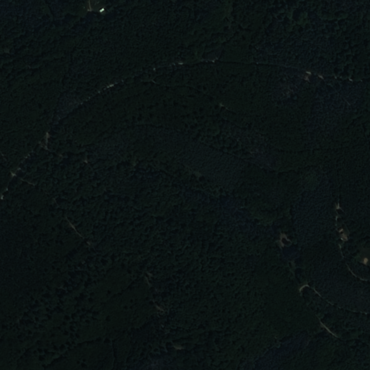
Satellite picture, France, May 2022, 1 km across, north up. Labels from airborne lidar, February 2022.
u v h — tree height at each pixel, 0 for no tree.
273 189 27
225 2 18
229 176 24
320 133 25
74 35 26
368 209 21
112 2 22
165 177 20
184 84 16
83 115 20
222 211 35
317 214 26
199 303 29
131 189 27
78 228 30
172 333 22
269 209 26
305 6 22
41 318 30
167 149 26
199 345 19
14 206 10
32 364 21
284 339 38
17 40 24
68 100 28
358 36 34
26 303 16
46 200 17
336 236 20
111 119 17
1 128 14
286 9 38
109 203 39
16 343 16
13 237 12
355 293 21
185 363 28
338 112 30
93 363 18
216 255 24
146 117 17
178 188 36
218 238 30
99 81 23
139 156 22
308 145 25
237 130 26
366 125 28
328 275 18
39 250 14
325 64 27
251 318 27
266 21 21
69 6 22
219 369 31
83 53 20
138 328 7
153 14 23
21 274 17
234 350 33
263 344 31
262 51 22
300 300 22
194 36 24
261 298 21
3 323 8
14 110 18
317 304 13
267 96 16
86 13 0
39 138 9
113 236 34
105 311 21
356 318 17
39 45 23
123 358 14
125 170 25
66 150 11
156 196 28
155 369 21
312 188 26
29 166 25
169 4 14
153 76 16
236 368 36
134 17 21
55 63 23
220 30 20
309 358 21
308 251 20
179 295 27
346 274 21
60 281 7
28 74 17
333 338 17
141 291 17
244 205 38
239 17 12
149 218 38
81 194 32
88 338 16
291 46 27
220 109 14
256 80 12
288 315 19
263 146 26
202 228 21
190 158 25
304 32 26
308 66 23
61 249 14
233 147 26
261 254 22
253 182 24
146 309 21
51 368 23
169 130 25
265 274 20
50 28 24
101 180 26
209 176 23
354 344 17
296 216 30
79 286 37
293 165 21
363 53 32
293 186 30
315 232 29
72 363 23
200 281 28
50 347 16
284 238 0
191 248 32
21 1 21
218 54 20
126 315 14
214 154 24
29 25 27
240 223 35
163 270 25
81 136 25
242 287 29
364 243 17
